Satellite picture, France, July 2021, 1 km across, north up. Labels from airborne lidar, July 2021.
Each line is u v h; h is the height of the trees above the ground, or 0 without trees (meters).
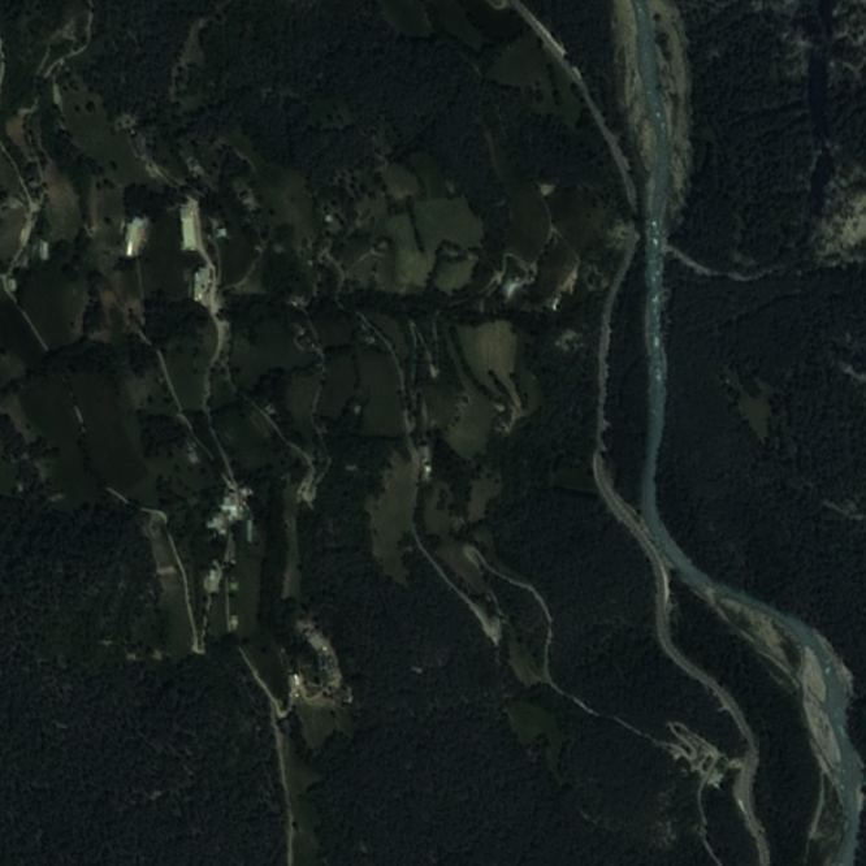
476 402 0
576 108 0
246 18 11
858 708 14
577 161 14
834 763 0
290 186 0
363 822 13
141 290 0
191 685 6
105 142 0
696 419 10
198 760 11
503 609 10
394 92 14
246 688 12
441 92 14
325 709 0
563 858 12
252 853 14
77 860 12
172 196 11
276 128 17
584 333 9
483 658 12
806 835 6
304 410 0
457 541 7
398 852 10
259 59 10
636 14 0
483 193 13
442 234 0
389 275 0
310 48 18
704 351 10
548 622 6
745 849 8
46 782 13
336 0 20
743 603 0
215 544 11
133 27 14
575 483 0
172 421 17
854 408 11
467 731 12
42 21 6
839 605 11
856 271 17
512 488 7
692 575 0
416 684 14
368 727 7
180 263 0
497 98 8
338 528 15
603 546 12
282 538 11
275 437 7
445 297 9
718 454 9
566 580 14
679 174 0
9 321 0
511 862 15
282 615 7
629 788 12
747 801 0
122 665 7
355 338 9
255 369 0
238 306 16
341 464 6
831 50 6
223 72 12
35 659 9
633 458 14
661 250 0
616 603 8
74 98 0
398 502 0
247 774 13
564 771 8
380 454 8
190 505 8
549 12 12
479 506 0
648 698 16
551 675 6
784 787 11
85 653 7
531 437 7
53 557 16
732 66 14
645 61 0
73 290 0
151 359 13
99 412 0
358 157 8
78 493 0
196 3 9
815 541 12
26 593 9
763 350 14
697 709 8
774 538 14
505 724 10
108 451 0
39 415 0
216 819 14
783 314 14
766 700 13
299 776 0
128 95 12
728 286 7
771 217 16
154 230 0
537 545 12
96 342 9
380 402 0
